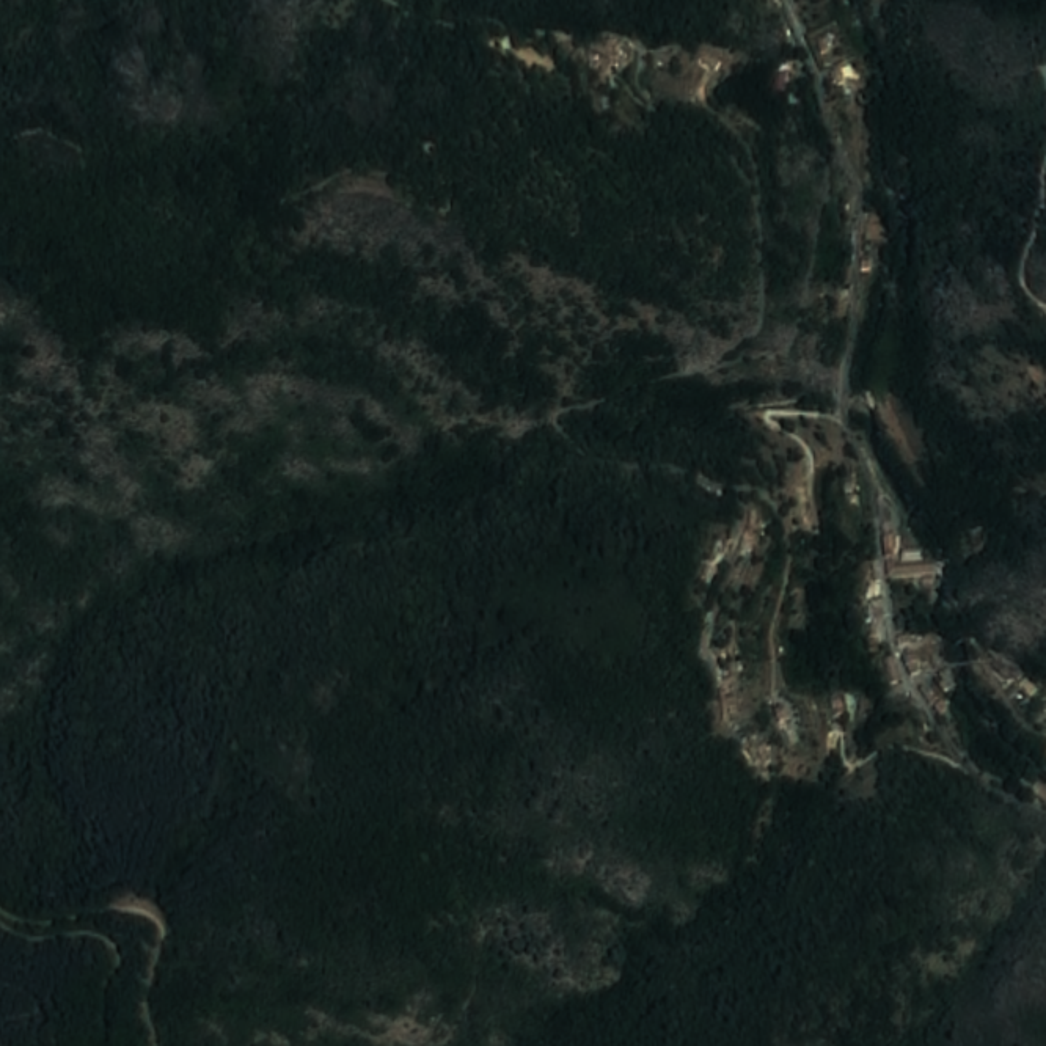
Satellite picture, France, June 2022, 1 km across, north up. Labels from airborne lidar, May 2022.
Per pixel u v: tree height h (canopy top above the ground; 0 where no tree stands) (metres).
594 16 12
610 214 9
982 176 9
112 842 15
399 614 9
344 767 12
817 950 12
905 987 10
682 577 15
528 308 7
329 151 11
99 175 15
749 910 16
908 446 0
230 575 12
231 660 11
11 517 16
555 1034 14
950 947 11
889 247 17
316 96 11
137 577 5
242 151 17
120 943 15
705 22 7
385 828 17
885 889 12
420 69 10
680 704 13
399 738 11
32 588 11
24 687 9
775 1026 9
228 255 9
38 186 17
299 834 16
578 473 10
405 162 10
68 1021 25
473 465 7
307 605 13
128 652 9
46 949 13
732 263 11
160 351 7
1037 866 6
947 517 16
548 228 13
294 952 13
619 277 9
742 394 6
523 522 16
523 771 19
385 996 10
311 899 12
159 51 12
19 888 9
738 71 9
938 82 8
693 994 10
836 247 8
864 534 6
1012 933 9
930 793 13
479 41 11
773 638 0
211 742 13
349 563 13
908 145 15
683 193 11
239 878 17
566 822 8
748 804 16
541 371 5
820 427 9
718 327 7
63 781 12
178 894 21
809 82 12
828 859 10
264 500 9
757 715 9
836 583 17
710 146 15
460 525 8
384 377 6
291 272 12
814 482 0
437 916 10
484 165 8
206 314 14
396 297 7
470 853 19
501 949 9
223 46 8
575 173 9
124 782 16
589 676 15
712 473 10
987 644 6
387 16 6
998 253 9
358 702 13
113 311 15
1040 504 6
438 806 10
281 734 11
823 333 7
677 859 10
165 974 12
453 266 6
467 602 13
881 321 12
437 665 12
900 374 15
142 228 11
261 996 6
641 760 9
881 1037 6
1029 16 12
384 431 9
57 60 7
